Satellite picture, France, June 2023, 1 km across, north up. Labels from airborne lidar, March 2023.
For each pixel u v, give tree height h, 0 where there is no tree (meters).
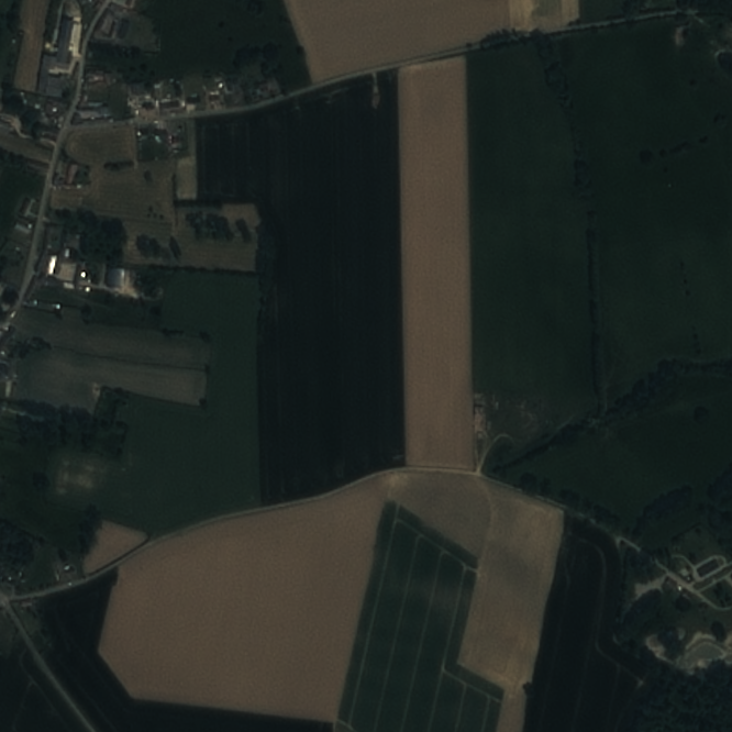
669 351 0
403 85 0
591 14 0
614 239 0
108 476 0
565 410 0
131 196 0
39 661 0
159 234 0
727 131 0
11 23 12
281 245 0
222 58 0
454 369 0
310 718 0
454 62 0
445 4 0
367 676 0
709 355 0
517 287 0
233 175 0
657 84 0
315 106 0
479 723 0
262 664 0
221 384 0
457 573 0
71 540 0
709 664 0
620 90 0
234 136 0
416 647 0
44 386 0
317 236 0
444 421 0
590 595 0
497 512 0
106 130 0
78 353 0
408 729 0
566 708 0
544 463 0
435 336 0
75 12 0
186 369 0
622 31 0
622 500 0
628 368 0
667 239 0
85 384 0
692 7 14
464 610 0
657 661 22
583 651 0
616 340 0
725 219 0
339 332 0
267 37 0
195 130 0
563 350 0
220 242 0
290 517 0
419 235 0
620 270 0
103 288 0
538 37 18
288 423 0
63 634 0
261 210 0
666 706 24
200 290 0
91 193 0
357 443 0
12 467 0
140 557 0
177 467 0
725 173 0
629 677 0
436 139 0
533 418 0
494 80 0
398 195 0
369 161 0
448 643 0
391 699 0
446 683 0
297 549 0
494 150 0
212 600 0
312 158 0
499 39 12
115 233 20
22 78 0
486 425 0
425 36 0
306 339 0
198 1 0
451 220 0
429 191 0
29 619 0
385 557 0
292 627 0
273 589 0
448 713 0
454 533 0
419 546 0
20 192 0
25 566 6
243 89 10
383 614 0
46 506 0
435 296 0
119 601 0
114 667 0
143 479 0
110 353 0
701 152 0
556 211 0
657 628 16
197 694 0
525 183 0
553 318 0
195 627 0
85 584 0
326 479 0
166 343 0
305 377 0
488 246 0
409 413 0
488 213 0
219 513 0
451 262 0
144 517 0
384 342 0
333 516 0
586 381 0
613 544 0
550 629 0
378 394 0
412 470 0
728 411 0
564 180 0
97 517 29
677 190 0
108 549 0
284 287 0
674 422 0
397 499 0
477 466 0
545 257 0
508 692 0
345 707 0
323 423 0
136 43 0
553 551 0
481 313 0
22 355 11
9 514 0
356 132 0
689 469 0
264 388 0
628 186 0
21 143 0
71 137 0
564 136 0
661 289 0
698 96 0
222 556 0
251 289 0
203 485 0
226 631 0
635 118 0
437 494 0
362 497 0
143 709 0
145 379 0
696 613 0
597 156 0
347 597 0
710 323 0
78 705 0
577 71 0
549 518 0
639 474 0
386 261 0
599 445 0
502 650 0
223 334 0
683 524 0
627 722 0
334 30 0
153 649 0
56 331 0
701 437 0
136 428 0
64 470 0
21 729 0
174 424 0
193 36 0
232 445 0
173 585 0
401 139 0
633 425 0
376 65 0
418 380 0
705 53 0
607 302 0
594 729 0
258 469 0
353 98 0
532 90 0
